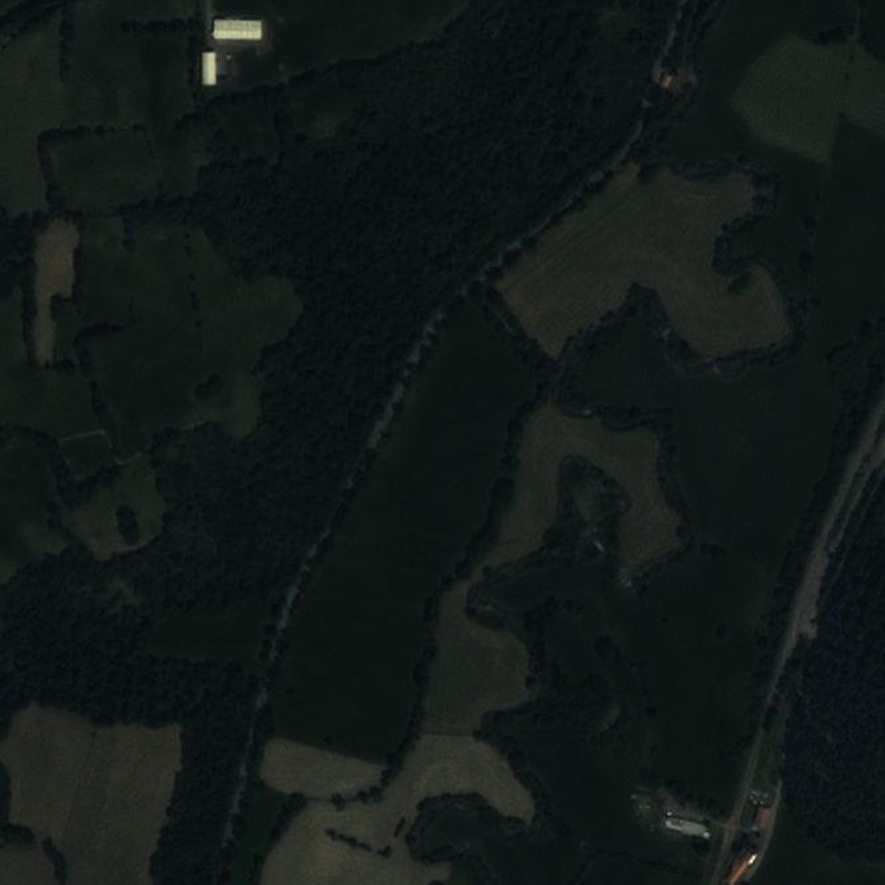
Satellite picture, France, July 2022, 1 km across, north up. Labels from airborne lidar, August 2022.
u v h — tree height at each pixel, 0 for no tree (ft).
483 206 55
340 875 0
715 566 0
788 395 0
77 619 34
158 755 0
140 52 0
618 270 0
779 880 0
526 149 51
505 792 0
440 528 0
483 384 0
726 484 0
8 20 43
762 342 0
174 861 62
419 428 0
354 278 57
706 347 0
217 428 31
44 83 0
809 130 0
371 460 71
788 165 0
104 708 53
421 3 0
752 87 0
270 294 0
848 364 19
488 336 0
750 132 0
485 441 0
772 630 20
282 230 46
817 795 84
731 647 0
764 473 0
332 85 0
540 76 58
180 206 46
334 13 0
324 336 51
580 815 0
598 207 0
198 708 41
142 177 0
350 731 0
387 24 0
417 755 0
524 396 0
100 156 0
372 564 0
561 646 0
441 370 0
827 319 0
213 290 0
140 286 0
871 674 66
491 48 63
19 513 0
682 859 0
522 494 0
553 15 48
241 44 0
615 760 0
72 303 24
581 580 0
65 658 49
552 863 0
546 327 0
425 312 59
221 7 0
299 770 0
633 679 0
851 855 57
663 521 0
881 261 0
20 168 0
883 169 0
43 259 0
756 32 0
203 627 0
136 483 0
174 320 0
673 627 0
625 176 0
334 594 0
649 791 0
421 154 56
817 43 22
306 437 62
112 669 34
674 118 58
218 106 43
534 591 0
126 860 0
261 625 0
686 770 0
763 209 59
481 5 36
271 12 0
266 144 0
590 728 22
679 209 0
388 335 47
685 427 0
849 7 0
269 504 24
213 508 30
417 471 0
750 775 0
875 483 42
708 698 0
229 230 28
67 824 0
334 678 0
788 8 0
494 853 0
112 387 0
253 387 0
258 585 42
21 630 46
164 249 0
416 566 0
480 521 0
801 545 38
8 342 0
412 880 0
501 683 0
